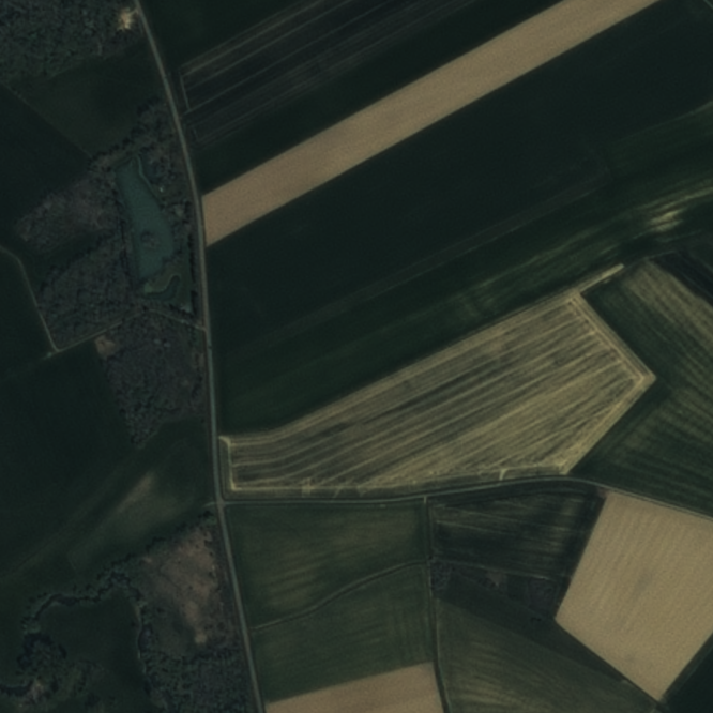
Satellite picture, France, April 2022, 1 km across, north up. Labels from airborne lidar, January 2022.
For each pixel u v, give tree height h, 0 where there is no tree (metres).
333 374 0
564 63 0
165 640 0
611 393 0
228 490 0
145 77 0
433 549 0
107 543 0
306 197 0
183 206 10
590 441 0
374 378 0
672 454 0
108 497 0
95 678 22
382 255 0
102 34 17
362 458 0
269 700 0
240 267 0
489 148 0
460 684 0
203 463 0
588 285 0
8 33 30
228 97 0
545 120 0
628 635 0
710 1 0
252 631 0
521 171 0
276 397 0
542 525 0
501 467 0
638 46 0
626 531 0
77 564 0
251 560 0
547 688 0
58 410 0
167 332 14
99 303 11
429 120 0
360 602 0
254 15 0
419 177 0
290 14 0
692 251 0
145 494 0
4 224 0
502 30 0
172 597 0
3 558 0
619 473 0
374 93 0
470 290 0
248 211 0
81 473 0
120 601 0
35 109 0
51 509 0
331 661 0
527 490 0
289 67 0
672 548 0
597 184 0
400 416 0
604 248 0
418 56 0
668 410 0
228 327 0
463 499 0
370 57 0
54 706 21
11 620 0
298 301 0
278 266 0
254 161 0
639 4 0
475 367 0
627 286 0
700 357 0
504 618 0
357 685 0
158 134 6
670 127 0
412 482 0
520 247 0
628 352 0
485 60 0
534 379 0
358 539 0
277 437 0
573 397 0
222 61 0
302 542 0
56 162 0
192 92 0
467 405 0
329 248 0
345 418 0
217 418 0
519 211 0
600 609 0
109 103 0
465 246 0
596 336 0
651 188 0
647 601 0
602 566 0
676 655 0
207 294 0
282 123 0
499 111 0
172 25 0
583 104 0
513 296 0
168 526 0
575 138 0
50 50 24
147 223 0
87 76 0
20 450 0
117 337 6
